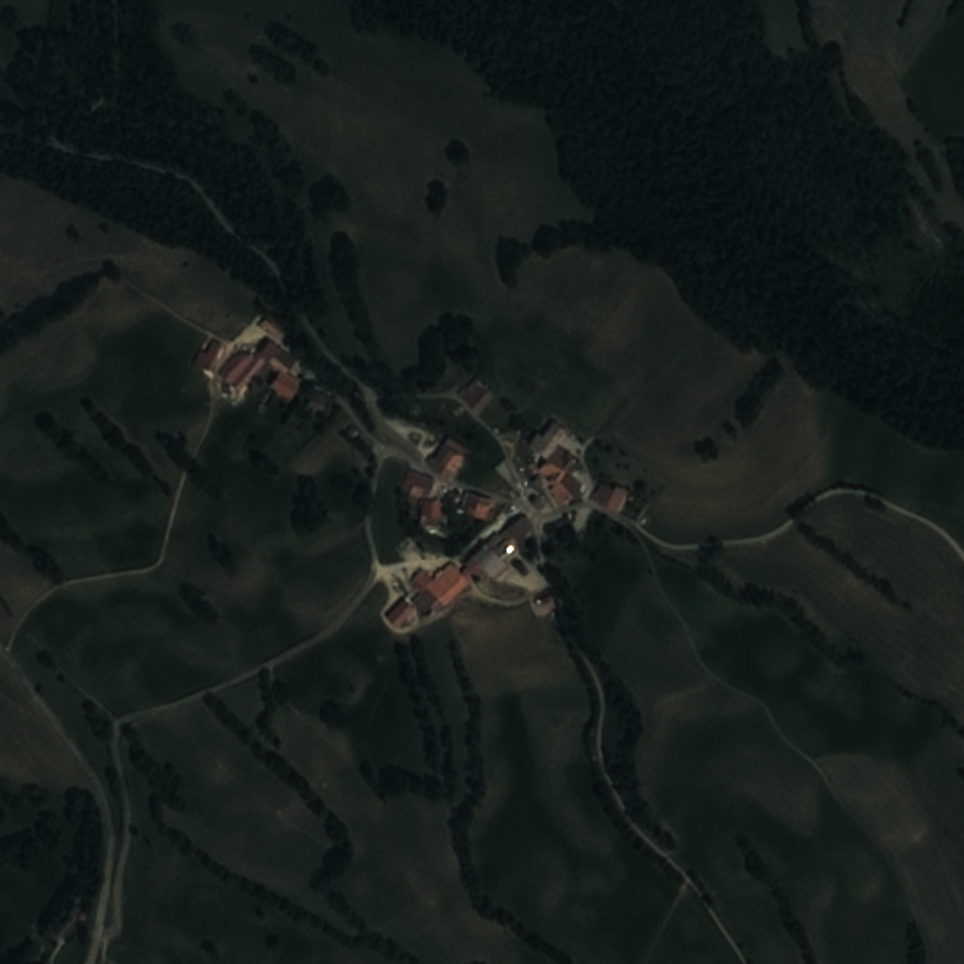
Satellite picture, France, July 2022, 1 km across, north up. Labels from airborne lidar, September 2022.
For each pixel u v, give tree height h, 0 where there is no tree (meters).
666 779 0
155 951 0
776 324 16
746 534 0
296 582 0
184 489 0
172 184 17
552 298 0
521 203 0
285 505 0
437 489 0
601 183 23
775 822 0
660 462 0
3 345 19
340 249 20
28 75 18
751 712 0
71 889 19
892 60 0
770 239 23
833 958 0
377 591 0
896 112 0
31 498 0
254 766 0
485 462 0
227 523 0
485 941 0
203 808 0
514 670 0
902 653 0
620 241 20
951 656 0
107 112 6
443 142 0
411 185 0
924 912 0
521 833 0
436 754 15
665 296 0
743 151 32
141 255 0
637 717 12
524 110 0
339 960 0
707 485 0
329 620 0
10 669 0
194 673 0
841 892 0
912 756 0
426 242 0
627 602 0
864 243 28
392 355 0
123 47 7
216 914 0
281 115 0
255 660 0
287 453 0
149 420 0
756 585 0
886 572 0
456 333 24
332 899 16
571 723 0
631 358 0
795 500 0
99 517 0
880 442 0
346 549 0
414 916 0
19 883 0
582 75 28
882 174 7
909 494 0
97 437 0
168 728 0
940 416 13
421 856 0
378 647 0
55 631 0
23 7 0
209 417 0
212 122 23
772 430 0
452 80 0
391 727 0
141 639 0
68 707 0
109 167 11
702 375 0
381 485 0
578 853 0
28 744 0
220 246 10
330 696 0
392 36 0
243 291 0
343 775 0
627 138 18
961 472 0
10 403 0
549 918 0
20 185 0
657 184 12
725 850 0
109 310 0
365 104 0
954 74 0
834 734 0
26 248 0
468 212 0
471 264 0
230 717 17
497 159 0
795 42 0
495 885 0
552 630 0
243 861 0
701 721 0
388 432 0
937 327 12
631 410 0
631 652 0
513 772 0
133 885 0
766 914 0
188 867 0
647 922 0
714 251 29
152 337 0
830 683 0
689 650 0
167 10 0
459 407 0
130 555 0
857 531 0
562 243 14
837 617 0
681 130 20
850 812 0
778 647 0
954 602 0
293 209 12
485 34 22
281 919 0
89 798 17
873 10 0
